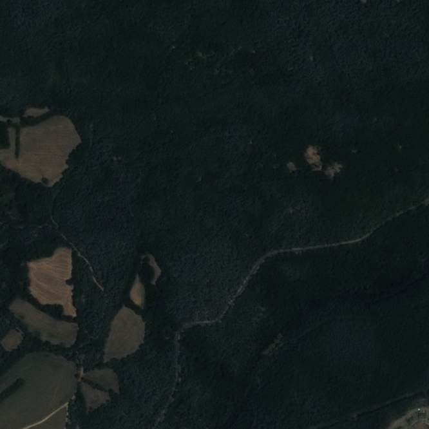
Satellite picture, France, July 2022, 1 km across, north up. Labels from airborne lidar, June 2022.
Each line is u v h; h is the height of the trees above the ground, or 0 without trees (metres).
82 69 11
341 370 11
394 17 18
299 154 16
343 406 11
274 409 11
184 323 22
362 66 18
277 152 17
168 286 20
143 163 14
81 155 13
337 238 15
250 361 11
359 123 14
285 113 11
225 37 11
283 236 16
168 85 11
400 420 0
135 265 25
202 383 10
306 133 13
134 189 13
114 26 13
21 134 0
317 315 21
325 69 13
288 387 16
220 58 11
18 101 12
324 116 9
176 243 11
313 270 13
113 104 13
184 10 13
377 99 13
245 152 10
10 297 7
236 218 15
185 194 18
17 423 0
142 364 17
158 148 15
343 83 17
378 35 15
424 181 18
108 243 15
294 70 10
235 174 15
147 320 20
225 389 12
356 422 11
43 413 0
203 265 21
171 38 15
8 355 13
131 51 13
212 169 14
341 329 11
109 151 19
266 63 8
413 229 10
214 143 15
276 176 17
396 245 10
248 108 11
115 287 21
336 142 12
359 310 22
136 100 13
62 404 0
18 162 0
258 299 14
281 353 6
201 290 19
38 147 0
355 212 19
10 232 17
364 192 22
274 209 19
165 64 12
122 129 14
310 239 19
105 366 14
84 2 15
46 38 13
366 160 20
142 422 16
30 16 21
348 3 20
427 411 0
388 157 21
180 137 13
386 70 20
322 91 14
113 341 0
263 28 13
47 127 0
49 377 0
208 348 15
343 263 15
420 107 15
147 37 14
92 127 8
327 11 13
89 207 19
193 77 13
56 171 0
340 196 21
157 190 10
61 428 0
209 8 16
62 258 0
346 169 16
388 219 15
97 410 9
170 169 11
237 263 22
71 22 17
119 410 23
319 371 10
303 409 11
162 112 12
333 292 24
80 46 10
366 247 15
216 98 11
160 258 17
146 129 13
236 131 18
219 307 14
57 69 6
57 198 11
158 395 18
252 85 13
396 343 15
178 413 9
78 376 13
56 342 0
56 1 17
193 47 10
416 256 15
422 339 17
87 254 16
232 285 18
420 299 17
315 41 20
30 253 15
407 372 16
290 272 7
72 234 11
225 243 25
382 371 15
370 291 22
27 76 16
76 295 17
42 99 15
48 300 0
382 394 15
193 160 15
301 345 10
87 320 17
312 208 14
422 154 19
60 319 15
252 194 21
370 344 15
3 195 11
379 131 15
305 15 21
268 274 17
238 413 19
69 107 13
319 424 14
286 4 19
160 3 15
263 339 15
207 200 13
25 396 0
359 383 14
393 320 15
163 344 18
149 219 21
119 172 12
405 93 15
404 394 14
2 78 15
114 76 14
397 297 21
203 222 18
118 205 11
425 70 19
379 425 6
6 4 18
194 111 12
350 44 19
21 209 8
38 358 0
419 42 21
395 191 23
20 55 12
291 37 13
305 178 19
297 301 18
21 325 11
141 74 11
